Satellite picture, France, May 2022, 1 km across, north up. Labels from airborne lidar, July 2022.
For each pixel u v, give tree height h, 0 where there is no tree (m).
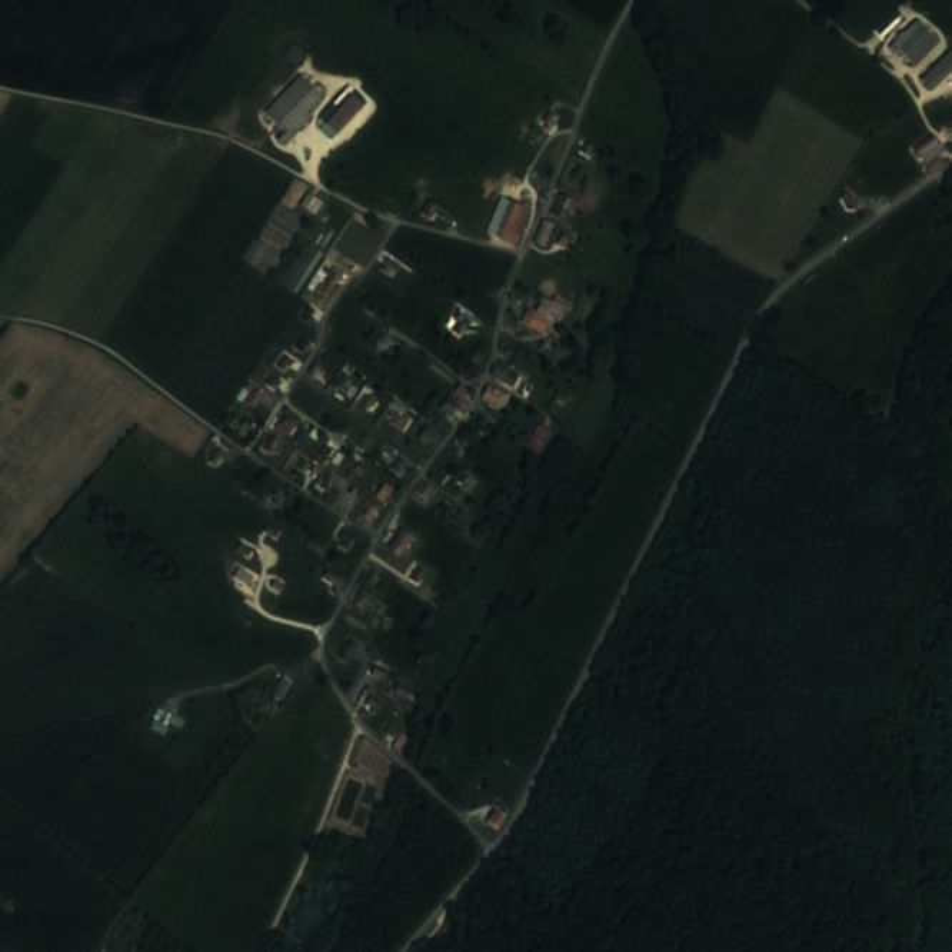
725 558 22
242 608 0
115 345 0
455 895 0
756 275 0
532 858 20
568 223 0
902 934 24
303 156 0
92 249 0
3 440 0
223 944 0
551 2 0
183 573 14
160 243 0
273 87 0
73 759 0
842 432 19
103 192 0
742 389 18
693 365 0
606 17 0
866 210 0
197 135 0
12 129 0
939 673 21
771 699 17
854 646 19
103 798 0
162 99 0
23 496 0
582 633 0
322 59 0
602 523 0
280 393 0
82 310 0
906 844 26
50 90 0
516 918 23
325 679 21
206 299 0
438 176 0
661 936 25
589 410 0
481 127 0
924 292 0
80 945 0
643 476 0
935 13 0
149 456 0
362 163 0
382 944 14
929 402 30
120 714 0
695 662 15
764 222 0
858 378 0
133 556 23
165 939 11
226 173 0
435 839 15
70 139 0
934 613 27
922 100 0
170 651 0
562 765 18
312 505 8
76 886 0
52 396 0
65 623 0
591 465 0
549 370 19
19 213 0
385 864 16
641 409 0
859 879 25
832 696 20
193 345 0
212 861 0
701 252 7
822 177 0
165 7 0
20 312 0
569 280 0
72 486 0
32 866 0
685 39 0
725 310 0
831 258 0
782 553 18
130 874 0
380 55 0
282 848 0
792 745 17
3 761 0
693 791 24
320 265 0
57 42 0
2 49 0
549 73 0
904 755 30
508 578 0
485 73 0
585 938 25
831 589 17
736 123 0
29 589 0
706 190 0
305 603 0
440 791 16
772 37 0
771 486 19
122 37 0
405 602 0
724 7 0
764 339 22
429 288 0
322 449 0
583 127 0
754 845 28
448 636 0
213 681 0
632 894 25
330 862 20
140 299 0
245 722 7
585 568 0
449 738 23
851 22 0
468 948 29
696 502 9
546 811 18
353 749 0
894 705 25
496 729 0
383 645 0
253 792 0
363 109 0
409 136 0
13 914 0
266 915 0
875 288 0
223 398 0
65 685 0
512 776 0
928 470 27
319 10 0
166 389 0
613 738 20
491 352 0
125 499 0
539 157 0
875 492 24
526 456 14
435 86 0
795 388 20
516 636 0
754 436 20
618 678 11
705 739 22
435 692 0
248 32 0
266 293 0
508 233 0
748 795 22
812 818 26
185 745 0
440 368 0
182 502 0
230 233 0
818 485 18
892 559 16
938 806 26
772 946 27
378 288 0
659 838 22
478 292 0
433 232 0
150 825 0
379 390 11
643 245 0
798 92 0
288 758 0
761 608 18
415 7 27
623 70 0
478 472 8
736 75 0
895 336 0
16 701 0
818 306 0
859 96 0
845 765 15
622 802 22
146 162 0
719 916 23
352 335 0
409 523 0
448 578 0
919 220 0
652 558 10
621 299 0
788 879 25
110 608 0
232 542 0
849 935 17
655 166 0
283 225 0
